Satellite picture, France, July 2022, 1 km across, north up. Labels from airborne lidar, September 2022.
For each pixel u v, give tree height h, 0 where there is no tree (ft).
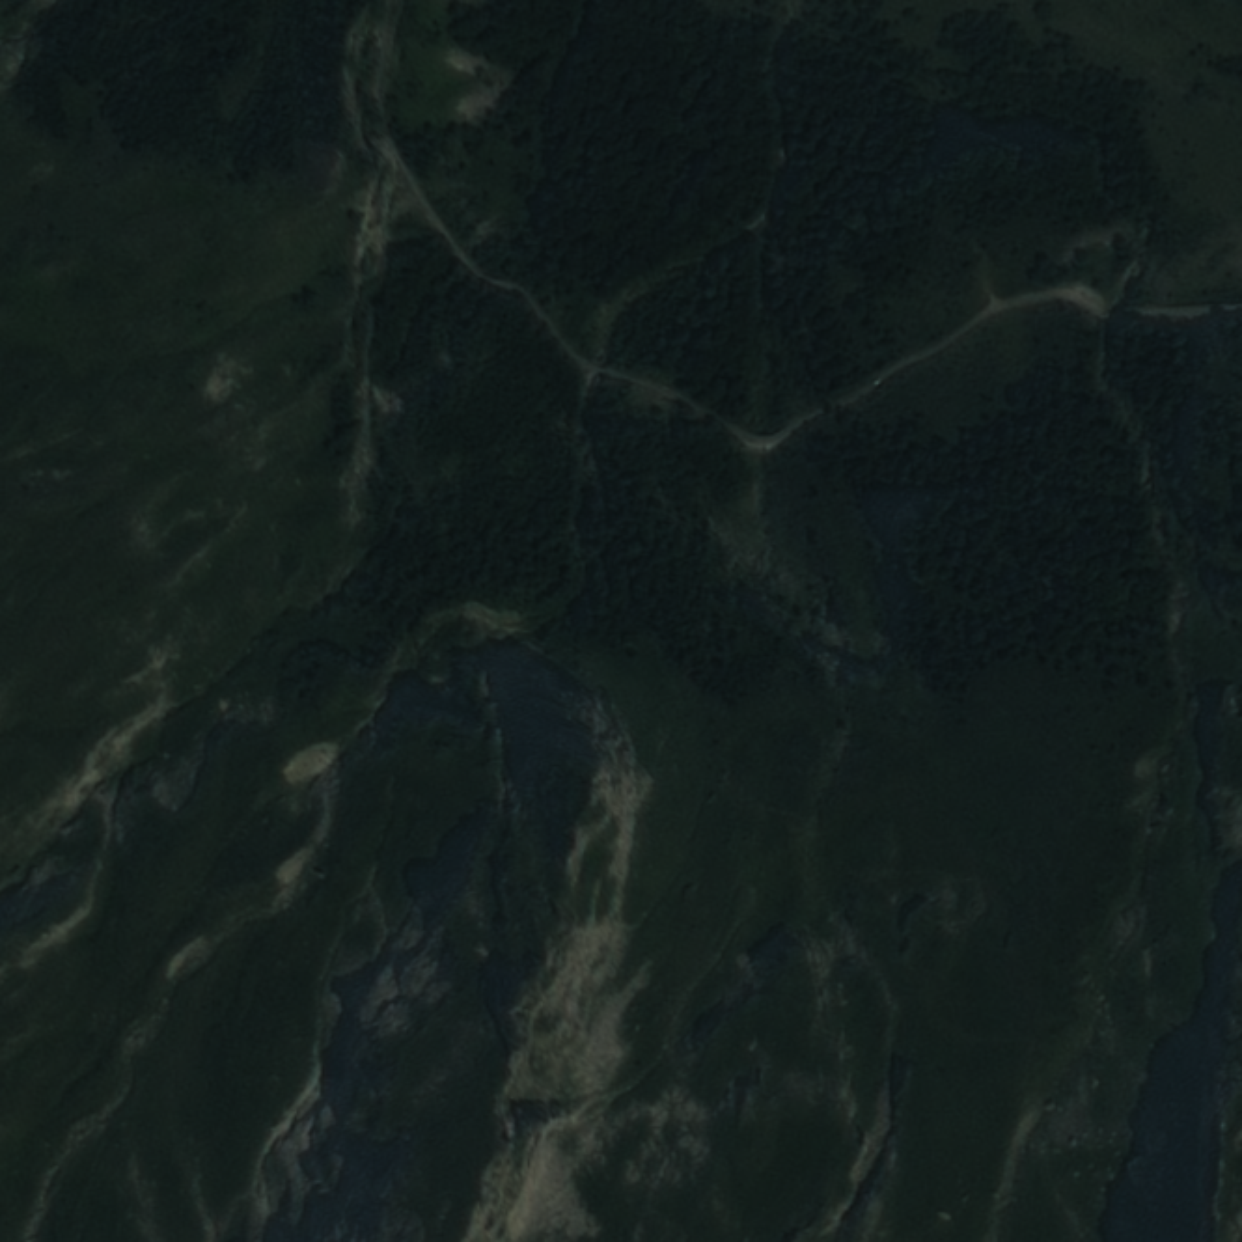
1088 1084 0
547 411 25
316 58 31
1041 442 26
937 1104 0
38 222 0
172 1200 0
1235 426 25
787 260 54
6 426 0
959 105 23
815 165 83
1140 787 0
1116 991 0
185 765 0
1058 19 0
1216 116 0
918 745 0
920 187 48
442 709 94
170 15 35
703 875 0
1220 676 0
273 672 0
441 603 46
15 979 0
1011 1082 0
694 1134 0
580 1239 0
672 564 51
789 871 0
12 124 0
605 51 74
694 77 74
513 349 22
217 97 20
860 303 60
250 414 0
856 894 0
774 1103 0
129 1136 0
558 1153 0
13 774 0
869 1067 0
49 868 0
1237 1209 0
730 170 78
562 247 70
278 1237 0
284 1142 0
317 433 0
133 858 0
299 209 0
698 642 47
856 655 0
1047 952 0
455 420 22
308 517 0
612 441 40
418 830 0
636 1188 0
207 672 0
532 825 0
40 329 0
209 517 0
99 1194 0
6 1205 0
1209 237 0
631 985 0
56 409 0
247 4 65
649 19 66
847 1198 0
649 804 0
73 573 0
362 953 0
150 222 0
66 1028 0
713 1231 0
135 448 0
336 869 0
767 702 0
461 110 0
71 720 0
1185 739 0
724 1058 0
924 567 43
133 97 33
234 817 0
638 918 0
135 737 0
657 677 0
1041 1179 0
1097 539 52
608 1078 0
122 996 0
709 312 61
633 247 49
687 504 32
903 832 0
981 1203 0
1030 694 0
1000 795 0
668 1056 0
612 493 41
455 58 0
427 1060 0
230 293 0
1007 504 55
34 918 0
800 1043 0
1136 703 0
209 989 0
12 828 0
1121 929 0
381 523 23
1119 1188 0
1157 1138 0
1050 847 0
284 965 0
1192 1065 0
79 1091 0
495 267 42
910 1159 0
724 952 0
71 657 0
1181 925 0
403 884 0
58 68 31
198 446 0
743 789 0
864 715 0
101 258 0
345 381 30
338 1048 0
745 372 53
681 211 73
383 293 28
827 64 61
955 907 0
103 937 0
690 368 78
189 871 0
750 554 0
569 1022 0
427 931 0
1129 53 0
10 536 0
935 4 0
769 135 58
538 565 48
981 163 68
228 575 0
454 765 0
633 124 66
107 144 0
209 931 0
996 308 0
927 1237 0
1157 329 42
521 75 31
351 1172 0
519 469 20
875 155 85
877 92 42
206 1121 0
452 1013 0
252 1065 0
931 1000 0
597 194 90
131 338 0
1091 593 50
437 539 31
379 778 0
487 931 0
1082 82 24
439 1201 0
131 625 0
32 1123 0
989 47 25
